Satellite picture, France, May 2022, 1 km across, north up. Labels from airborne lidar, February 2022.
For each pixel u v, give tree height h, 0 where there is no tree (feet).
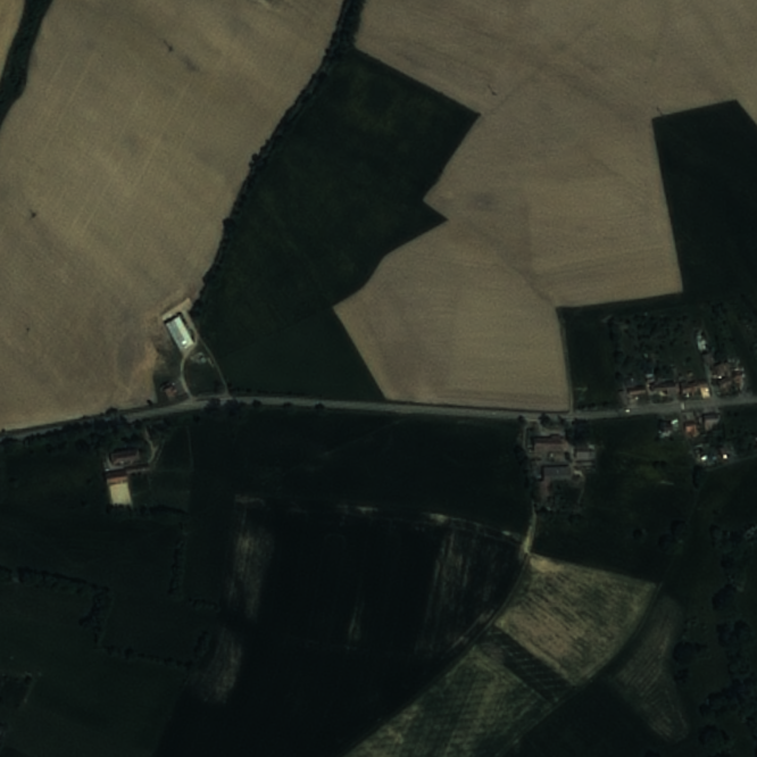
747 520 0
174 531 0
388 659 0
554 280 0
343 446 0
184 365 0
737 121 0
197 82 0
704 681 0
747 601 0
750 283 0
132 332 0
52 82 0
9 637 0
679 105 0
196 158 0
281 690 0
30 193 0
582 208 0
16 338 0
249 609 0
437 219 0
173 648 0
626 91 0
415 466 0
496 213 0
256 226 0
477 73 0
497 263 0
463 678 0
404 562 0
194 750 0
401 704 0
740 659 89
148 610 0
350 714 0
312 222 0
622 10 0
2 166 0
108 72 0
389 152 0
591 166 0
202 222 0
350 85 0
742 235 0
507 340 0
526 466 34
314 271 0
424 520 0
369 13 0
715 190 0
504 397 0
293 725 0
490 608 0
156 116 0
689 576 0
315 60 0
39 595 0
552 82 0
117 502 0
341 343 0
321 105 0
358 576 0
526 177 0
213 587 0
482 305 0
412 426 0
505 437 0
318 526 0
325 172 0
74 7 0
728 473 0
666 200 0
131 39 0
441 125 0
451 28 0
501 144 0
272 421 0
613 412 0
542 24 0
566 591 0
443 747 0
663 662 0
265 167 34
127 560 0
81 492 0
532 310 0
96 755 0
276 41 0
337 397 0
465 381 0
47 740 0
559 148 0
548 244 0
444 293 0
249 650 0
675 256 0
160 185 0
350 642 0
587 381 0
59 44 0
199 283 0
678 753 0
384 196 0
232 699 0
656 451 0
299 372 0
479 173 0
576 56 0
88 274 0
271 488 0
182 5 0
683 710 0
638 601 0
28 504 0
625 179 0
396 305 0
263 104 0
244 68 0
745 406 0
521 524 0
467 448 0
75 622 0
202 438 0
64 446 24
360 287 0
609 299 0
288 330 0
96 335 0
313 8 0
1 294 0
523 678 0
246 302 0
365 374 0
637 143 0
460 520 0
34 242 0
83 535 0
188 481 0
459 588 0
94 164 0
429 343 0
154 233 0
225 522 0
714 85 0
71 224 0
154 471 0
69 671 0
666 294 0
